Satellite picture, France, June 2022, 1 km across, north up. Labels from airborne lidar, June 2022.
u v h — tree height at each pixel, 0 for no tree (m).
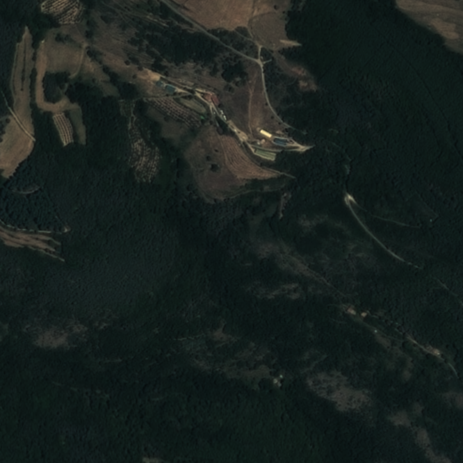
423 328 18
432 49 17
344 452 17
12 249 15
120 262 14
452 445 8
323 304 11
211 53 11
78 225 12
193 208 17
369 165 14
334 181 16
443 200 22
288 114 6
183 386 10
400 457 13
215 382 15
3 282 16
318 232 5
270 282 12
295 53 9
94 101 8
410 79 14
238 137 0
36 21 11
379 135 7
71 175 20
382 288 13
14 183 26
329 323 10
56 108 0
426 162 15
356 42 17
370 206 7
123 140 14
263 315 11
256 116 0
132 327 11
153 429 10
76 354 13
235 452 6
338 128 6
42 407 19
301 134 13
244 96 0
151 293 13
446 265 8
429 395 9
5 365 21
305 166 10
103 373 14
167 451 19
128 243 17
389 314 8
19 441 17
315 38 15
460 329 15
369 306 12
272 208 0
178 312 6
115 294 13
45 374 11
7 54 16
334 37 16
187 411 15
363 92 12
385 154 13
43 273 11
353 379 10
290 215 7
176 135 0
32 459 14
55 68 0
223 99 0
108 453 17
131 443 14
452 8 0
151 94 0
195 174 0
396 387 14
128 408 14
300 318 15
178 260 13
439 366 7
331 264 5
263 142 0
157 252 20
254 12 0
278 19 0
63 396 16
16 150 0
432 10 0
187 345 13
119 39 0
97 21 0
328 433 23
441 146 9
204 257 20
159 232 21
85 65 0
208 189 0
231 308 24
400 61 15
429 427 7
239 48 7
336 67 15
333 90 14
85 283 12
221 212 14
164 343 13
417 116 13
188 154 0
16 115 0
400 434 7
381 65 14
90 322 8
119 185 17
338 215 7
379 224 7
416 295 8
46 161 17
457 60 16
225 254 10
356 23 15
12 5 17
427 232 16
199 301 14
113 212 21
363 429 15
